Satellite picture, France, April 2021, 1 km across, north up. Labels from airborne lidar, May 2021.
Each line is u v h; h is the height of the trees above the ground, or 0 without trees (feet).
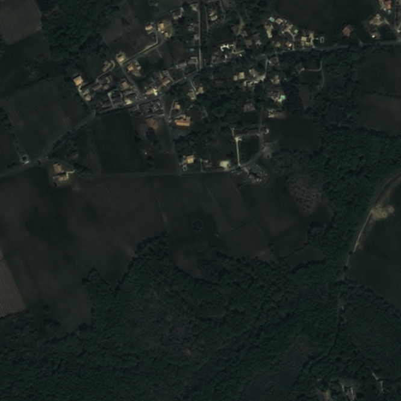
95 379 70
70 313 0
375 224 0
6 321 27
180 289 62
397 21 25
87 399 80
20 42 0
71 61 59
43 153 0
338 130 74
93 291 57
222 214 0
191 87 0
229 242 0
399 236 0
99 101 0
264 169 0
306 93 0
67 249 0
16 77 0
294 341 35
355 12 0
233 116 56
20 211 0
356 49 59
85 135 0
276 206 0
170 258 46
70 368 81
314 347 21
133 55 0
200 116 22
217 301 62
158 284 45
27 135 0
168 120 0
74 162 0
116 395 48
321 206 0
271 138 0
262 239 0
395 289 0
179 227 0
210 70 46
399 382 44
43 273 0
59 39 60
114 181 0
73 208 0
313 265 53
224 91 31
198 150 0
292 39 20
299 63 51
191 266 0
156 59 0
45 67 0
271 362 72
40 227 0
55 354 67
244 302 75
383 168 94
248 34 51
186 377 74
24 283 0
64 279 0
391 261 0
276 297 60
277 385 21
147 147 0
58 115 0
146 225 0
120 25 0
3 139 0
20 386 80
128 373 72
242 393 36
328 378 54
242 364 67
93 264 0
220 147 0
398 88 0
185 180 0
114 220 0
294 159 44
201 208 0
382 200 0
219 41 0
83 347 32
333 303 80
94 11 70
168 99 0
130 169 0
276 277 57
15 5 0
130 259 0
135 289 61
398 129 0
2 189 0
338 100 0
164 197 0
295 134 0
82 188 0
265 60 0
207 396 57
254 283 84
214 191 0
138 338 35
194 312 64
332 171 83
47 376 72
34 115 0
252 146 0
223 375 79
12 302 0
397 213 0
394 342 44
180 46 0
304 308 92
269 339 50
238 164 43
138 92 0
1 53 21
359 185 65
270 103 47
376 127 0
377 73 0
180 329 27
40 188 0
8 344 18
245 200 0
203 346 60
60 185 0
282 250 0
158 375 64
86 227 0
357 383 104
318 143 0
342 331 66
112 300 63
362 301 46
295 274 54
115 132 0
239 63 62
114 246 0
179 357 47
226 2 0
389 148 48
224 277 71
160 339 44
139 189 0
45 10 22
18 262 0
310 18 0
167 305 32
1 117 51
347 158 85
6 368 80
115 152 0
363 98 0
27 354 49
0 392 93
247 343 73
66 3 52
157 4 0
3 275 0
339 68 34
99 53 48
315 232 71
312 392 46
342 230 69
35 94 0
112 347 55
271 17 0
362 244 0
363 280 0
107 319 91
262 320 64
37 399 77
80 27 61
